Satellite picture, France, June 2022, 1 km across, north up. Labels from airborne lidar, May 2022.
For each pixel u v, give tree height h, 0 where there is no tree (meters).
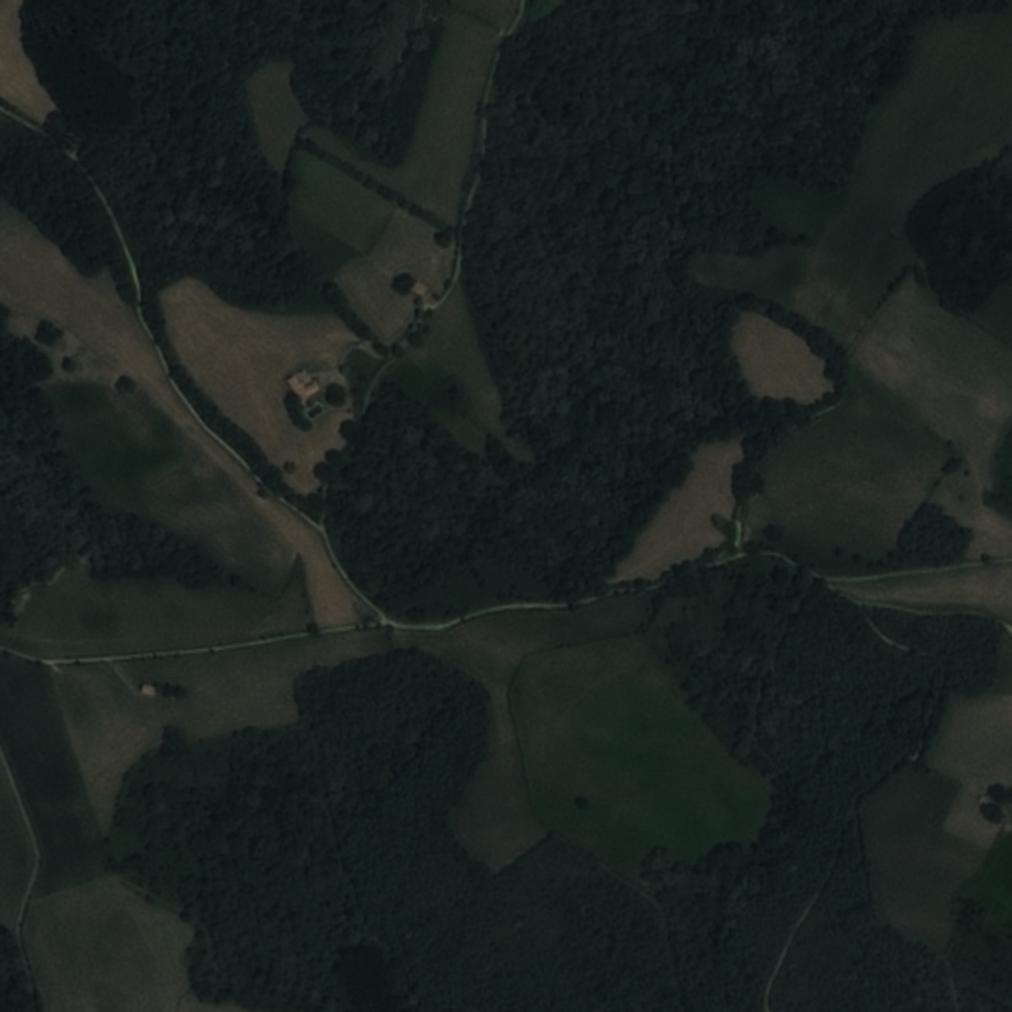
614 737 0
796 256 0
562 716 0
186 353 0
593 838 0
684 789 0
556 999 15
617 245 25
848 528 0
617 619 0
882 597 0
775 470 0
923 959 11
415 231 0
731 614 16
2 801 0
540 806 0
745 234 14
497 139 10
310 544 0
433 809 9
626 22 9
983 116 0
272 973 9
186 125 15
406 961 14
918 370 0
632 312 15
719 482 0
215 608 0
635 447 16
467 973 9
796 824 17
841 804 11
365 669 10
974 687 6
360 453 14
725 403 14
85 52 29
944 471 7
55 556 16
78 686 0
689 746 0
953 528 11
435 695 11
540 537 13
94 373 0
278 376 0
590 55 17
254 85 0
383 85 17
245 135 13
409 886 6
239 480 0
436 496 19
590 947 16
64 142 17
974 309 8
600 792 0
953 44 0
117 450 0
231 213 18
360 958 25
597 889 10
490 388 0
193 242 9
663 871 14
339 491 11
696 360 10
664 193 16
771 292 0
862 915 13
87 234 14
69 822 0
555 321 17
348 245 0
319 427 0
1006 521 0
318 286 8
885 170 0
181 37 24
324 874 15
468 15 0
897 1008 13
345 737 15
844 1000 8
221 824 26
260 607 0
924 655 9
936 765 0
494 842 0
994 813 18
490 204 8
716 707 7
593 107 15
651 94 26
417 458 14
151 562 8
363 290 0
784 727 6
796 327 17
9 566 12
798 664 11
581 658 0
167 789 9
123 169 15
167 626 0
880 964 15
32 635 0
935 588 0
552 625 0
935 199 9
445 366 0
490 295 7
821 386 0
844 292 0
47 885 0
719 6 24
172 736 16
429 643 0
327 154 6
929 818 0
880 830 0
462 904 8
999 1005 9
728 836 0
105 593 0
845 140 11
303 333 0
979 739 0
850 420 0
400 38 0
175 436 0
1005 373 0
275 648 0
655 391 21
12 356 19
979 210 6
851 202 0
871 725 9
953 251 9
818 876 8
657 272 18
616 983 18
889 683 13
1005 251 25
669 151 14
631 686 0
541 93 22
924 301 0
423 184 0
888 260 0
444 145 0
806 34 21
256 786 12
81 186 9
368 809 11
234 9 13
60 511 20
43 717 0
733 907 18
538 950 7
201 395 7
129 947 0
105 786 0
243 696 0
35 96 0
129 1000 0
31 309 0
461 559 7
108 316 0
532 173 16
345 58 24
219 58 16
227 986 7
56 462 24
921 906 0
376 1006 25
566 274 16
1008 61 0
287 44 10
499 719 0
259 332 0
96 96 29
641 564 0
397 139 6
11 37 0
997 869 0
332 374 0
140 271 8
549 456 12
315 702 13
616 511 16
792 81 16
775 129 21
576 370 25
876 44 13
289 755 9
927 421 0
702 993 19
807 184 10
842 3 15
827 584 8
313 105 11
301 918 7
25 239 0
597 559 10
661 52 28
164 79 28
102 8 25
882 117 0
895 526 0
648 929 8
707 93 20
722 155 13
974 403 0
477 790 0
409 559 12
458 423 0
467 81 0
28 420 23
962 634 14
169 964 0
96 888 0
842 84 11
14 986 16
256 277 10
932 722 8
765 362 0
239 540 0
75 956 0
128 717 0
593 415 17
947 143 0
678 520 0
